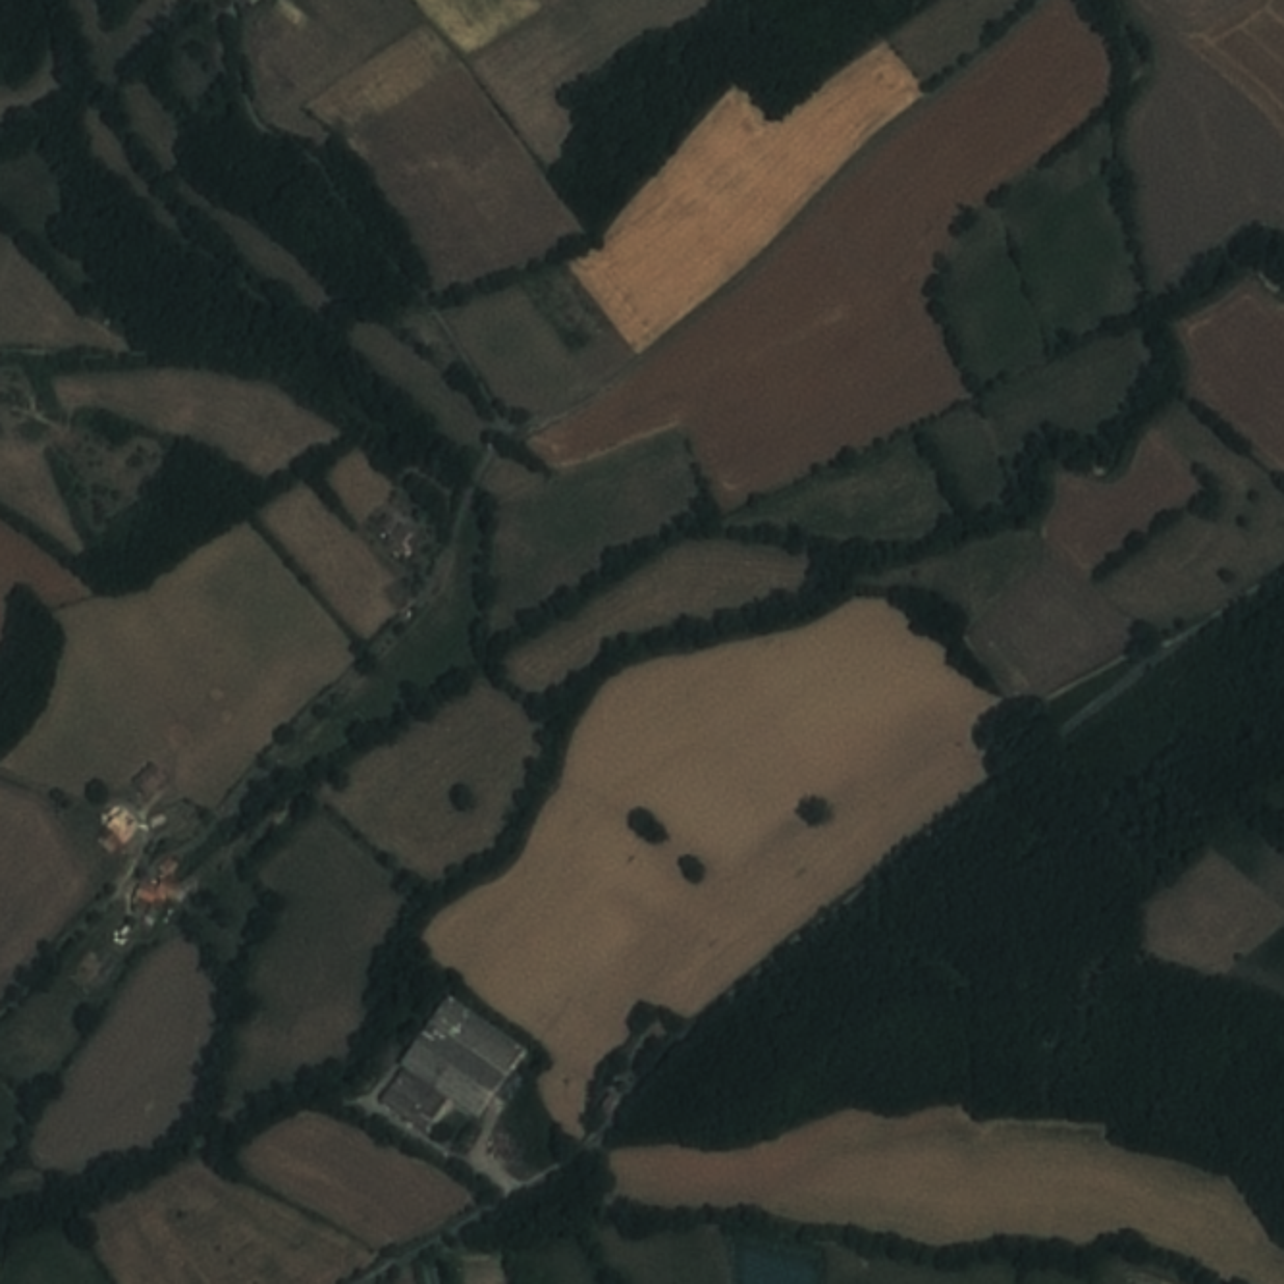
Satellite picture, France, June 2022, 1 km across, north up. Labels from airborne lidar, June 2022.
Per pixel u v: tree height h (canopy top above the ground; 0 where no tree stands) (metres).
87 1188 14
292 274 0
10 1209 22
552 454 0
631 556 19
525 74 0
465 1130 6
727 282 0
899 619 0
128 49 0
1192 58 0
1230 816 6
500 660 9
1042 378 0
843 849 0
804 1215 0
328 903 0
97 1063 0
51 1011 0
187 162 15
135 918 9
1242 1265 0
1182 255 0
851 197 0
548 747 18
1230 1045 14
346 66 0
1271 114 0
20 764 0
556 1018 0
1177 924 0
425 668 0
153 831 0
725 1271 0
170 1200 0
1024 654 0
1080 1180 0
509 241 0
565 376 0
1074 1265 15
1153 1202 0
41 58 12
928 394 0
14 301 0
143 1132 0
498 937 0
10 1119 0
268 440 0
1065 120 0
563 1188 18
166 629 0
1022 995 17
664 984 0
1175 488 0
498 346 0
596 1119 15
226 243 19
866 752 0
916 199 0
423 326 0
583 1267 0
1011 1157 0
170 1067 0
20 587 10
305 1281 0
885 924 14
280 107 0
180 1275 0
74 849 0
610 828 0
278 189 8
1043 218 0
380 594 0
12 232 16
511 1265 11
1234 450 14
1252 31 0
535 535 0
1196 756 15
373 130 0
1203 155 0
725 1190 0
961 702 0
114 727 0
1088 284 0
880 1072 15
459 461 29
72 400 0
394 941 11
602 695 0
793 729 0
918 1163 0
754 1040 16
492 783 0
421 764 0
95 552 9
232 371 12
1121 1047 15
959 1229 0
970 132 0
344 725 0
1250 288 0
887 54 0
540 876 0
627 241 0
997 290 0
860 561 22
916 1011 13
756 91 18
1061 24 0
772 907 0
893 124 0
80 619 0
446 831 0
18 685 16
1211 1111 18
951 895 17
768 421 0
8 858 0
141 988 0
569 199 10
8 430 0
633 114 17
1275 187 0
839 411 0
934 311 16
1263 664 7
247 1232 0
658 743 0
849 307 0
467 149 0
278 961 0
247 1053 0
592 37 0
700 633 22
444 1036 0
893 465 0
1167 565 0
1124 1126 18
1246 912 0
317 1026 0
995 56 0
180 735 0
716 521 13
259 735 0
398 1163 0
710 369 0
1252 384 0
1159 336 16
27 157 10
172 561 15
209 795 0
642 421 0
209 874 0
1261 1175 17
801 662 0
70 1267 0
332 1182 0
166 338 16
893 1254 17
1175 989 16
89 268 13
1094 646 0
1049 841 20
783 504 0
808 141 0
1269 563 0
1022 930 18
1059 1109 11
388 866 23
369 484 0
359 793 0
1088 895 20
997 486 0
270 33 0
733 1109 12
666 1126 12
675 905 0
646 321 0
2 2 16
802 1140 0
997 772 23
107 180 24
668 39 12
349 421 7
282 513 0
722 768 0
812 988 18
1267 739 16
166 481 12
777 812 0
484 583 18
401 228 15
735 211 0
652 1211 18
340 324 28
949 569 0
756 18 17
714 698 0
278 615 0
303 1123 0
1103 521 0
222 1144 17
